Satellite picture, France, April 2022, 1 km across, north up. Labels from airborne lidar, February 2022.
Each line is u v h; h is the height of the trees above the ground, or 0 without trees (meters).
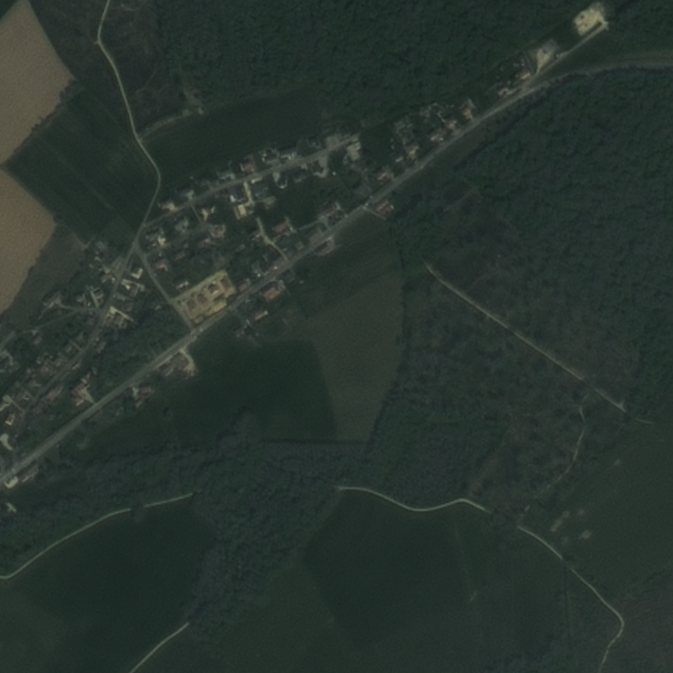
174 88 0
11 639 0
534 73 0
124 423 0
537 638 0
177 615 0
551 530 0
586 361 0
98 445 0
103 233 0
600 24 0
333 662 0
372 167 11
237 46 8
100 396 6
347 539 0
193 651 0
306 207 0
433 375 29
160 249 0
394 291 0
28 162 0
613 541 0
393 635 0
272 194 0
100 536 0
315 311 0
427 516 0
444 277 0
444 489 17
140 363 17
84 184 0
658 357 23
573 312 26
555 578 0
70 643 0
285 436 0
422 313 0
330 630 0
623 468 0
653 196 25
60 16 0
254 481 27
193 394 0
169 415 15
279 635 0
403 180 0
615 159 25
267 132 0
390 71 29
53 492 0
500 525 25
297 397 0
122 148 0
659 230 26
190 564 0
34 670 0
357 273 0
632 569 0
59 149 0
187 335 0
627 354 25
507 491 0
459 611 0
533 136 27
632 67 0
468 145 0
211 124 0
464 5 27
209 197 0
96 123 0
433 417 28
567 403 27
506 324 0
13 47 0
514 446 0
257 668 0
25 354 17
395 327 0
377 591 0
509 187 24
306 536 23
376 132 0
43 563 0
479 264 0
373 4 25
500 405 26
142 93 0
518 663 19
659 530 0
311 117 0
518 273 31
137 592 0
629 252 22
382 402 0
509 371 26
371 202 0
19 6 0
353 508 0
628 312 29
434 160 0
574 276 27
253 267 6
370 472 26
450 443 16
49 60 0
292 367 0
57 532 20
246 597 27
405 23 29
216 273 0
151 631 0
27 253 0
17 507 6
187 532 0
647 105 25
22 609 0
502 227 0
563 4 22
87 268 13
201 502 10
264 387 0
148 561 0
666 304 28
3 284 0
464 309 0
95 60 0
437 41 23
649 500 0
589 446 0
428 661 0
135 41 0
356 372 0
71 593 0
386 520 0
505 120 9
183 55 25
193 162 0
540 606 0
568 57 0
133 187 0
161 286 0
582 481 0
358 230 0
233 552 26
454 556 0
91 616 0
